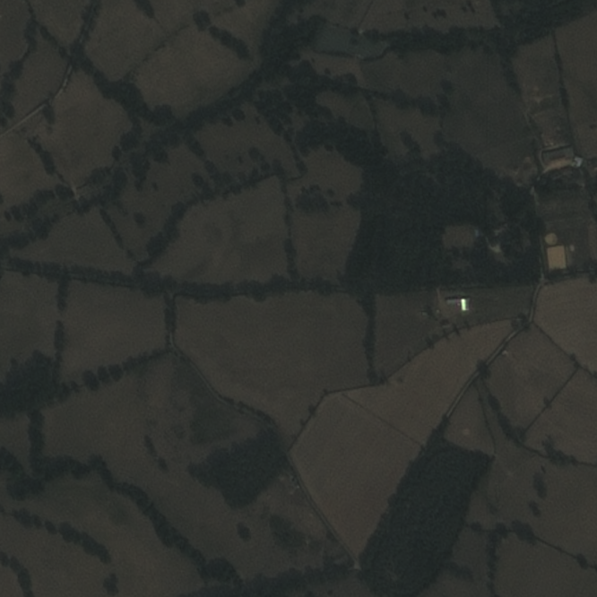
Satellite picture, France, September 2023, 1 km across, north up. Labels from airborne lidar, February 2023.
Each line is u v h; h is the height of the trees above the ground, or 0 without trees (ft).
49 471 81
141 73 0
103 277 38
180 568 0
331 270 0
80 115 0
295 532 0
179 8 0
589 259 0
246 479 54
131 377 0
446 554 42
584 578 0
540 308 0
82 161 0
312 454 0
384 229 64
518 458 0
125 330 0
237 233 0
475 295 0
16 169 0
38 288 0
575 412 0
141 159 49
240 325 0
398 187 71
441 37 48
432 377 0
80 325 0
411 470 32
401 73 0
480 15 0
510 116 0
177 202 0
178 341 0
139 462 0
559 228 0
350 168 0
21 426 0
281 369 0
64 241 0
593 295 0
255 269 0
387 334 0
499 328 0
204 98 0
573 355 0
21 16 0
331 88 37
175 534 29
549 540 0
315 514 0
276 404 0
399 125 0
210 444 0
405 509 46
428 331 0
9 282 0
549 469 0
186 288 37
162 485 0
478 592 0
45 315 0
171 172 0
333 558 0
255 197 0
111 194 47
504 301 0
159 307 0
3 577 0
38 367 70
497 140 0
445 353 0
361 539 0
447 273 25
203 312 0
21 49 0
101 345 0
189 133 40
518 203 69
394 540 38
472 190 46
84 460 0
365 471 0
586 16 0
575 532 0
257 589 61
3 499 0
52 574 0
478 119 0
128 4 0
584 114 0
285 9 57
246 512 0
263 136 0
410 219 73
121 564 0
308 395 0
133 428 0
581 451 0
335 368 0
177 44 0
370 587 35
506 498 0
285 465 59
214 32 51
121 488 85
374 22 0
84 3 0
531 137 0
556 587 0
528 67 0
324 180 0
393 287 83
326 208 47
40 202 64
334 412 0
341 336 0
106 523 0
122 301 0
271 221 0
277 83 0
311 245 0
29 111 0
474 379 0
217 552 0
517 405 0
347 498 0
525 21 31
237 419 0
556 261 0
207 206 0
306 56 0
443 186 75
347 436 0
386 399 0
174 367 0
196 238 0
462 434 0
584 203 0
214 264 0
